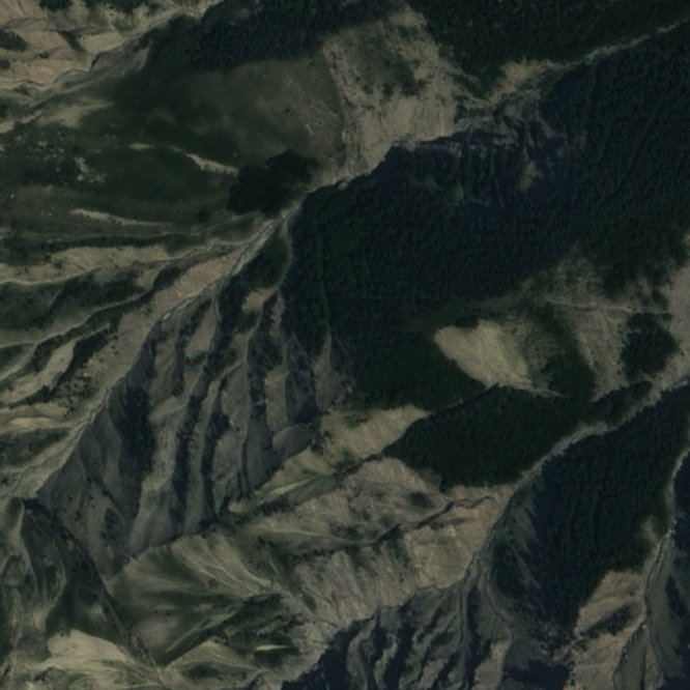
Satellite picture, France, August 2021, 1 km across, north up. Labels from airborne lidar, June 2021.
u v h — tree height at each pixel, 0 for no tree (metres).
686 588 0
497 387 7
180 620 0
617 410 16
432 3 13
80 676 0
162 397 0
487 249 10
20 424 0
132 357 0
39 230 0
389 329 10
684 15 11
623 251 12
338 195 6
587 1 11
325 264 7
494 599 0
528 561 6
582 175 9
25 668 0
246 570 0
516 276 9
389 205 22
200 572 0
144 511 0
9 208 0
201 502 0
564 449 0
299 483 0
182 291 0
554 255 10
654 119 20
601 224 15
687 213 16
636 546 15
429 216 9
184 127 0
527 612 9
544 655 0
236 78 0
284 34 7
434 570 0
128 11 7
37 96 0
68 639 0
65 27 0
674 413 17
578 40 9
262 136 0
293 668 0
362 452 0
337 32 6
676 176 18
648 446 28
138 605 0
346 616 0
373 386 14
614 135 15
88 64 0
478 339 0
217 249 0
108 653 0
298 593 0
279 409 0
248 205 12
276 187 15
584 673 0
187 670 0
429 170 11
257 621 0
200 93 0
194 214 0
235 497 0
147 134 0
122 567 0
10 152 0
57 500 0
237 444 0
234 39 11
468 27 15
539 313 9
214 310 0
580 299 0
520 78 0
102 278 0
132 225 0
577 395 14
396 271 11
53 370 0
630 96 21
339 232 16
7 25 0
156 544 0
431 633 7
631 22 9
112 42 0
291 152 11
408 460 9
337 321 14
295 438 0
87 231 0
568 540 14
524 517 0
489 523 0
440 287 6
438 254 10
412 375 22
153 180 0
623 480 26
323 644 0
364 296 18
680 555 0
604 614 0
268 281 7
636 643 0
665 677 0
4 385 0
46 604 0
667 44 10
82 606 0
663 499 11
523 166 8
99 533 0
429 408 13
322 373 0
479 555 0
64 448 0
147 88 0
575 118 14
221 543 0
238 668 0
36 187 0
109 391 0
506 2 9
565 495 18
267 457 0
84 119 0
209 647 0
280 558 0
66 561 0
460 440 19
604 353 0
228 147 0
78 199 0
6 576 0
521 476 7
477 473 20
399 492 0
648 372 18
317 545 0
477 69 11
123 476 0
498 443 22
